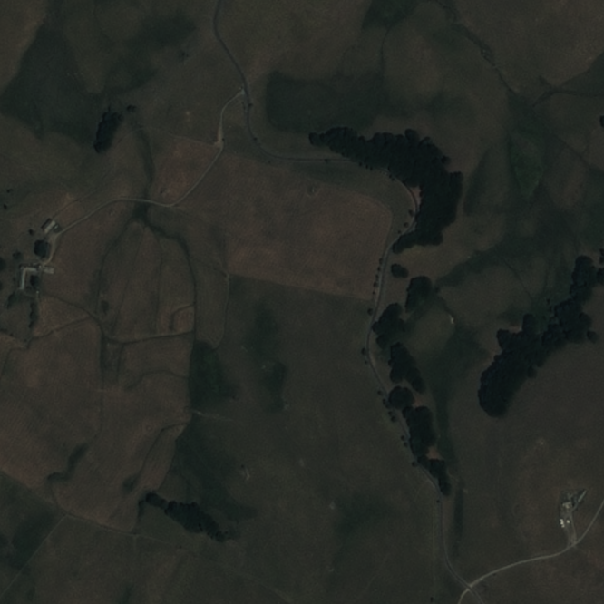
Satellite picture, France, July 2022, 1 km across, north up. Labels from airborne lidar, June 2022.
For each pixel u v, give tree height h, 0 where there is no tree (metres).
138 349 0
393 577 0
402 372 19
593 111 0
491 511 0
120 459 0
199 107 0
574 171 0
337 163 0
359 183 0
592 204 0
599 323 0
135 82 0
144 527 0
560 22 0
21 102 0
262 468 0
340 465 0
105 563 0
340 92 0
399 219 0
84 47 0
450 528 0
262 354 0
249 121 0
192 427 0
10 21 0
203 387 0
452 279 0
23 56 0
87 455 0
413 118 0
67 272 0
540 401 0
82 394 0
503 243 0
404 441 7
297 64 0
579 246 0
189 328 0
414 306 21
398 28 0
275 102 0
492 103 0
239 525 0
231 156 0
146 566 0
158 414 0
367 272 0
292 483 0
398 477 0
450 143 0
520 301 0
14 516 0
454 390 0
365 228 0
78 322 0
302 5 0
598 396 0
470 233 0
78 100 0
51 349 0
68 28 0
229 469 0
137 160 0
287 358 0
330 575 0
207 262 0
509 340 23
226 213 0
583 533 0
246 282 0
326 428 0
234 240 0
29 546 0
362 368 0
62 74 0
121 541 0
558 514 0
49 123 0
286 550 0
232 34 0
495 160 0
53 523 0
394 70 0
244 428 0
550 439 0
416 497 0
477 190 0
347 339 0
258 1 0
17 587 0
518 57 0
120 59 0
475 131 0
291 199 0
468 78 0
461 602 0
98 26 0
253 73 0
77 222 0
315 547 0
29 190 0
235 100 0
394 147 18
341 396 0
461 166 0
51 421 0
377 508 0
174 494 0
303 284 0
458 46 0
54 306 0
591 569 0
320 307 0
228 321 0
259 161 0
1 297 0
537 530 0
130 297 0
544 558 0
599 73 0
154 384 0
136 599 0
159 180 0
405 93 0
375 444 0
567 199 0
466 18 0
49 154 0
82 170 0
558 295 0
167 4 0
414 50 0
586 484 0
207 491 0
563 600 0
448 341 0
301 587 0
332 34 0
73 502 0
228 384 0
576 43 0
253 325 0
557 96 0
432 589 0
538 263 0
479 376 0
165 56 0
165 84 0
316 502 0
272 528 0
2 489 0
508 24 0
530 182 0
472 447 0
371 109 0
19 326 0
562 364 0
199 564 0
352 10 0
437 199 20
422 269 0
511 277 0
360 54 0
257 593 0
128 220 0
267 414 0
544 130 0
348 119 0
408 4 0
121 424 0
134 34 0
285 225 0
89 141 0
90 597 0
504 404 19
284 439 0
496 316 0
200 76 0
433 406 0
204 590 0
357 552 0
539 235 0
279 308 0
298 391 0
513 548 0
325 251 0
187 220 0
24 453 0
